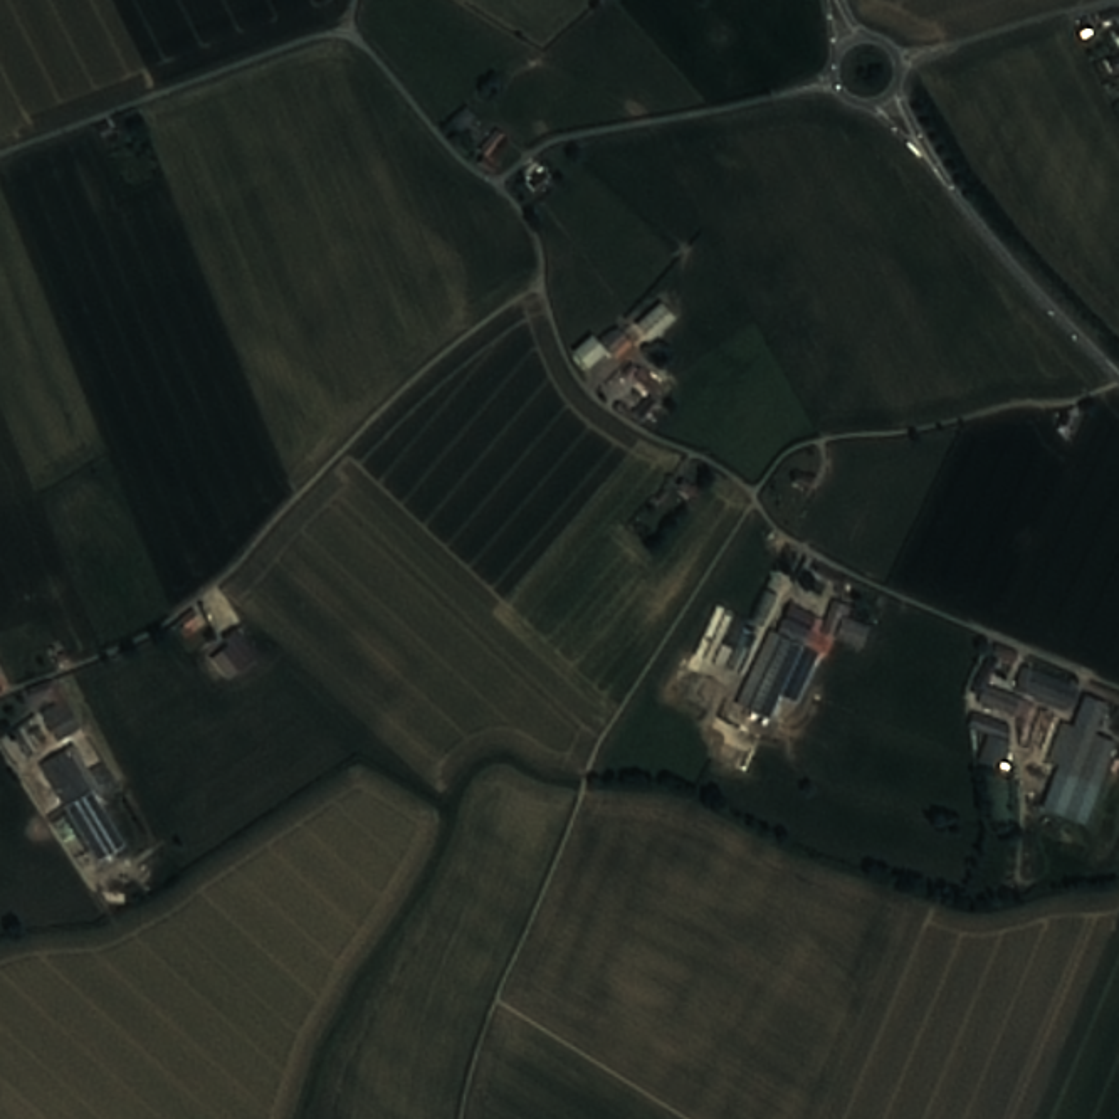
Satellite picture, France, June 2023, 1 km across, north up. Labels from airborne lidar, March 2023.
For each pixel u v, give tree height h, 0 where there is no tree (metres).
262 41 0
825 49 0
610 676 0
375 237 0
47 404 0
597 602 0
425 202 0
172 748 0
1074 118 0
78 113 0
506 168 0
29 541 0
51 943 0
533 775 0
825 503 0
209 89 0
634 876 0
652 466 0
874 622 0
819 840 0
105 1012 0
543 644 0
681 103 0
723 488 0
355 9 0
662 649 0
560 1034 0
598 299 0
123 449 0
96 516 0
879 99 0
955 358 0
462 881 0
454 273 0
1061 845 0
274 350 0
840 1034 0
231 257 0
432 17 0
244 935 0
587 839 0
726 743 0
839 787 0
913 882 16
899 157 0
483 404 0
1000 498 0
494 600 0
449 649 0
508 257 0
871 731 0
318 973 0
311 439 0
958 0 0
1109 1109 0
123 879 0
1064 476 0
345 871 0
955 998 0
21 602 0
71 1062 0
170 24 0
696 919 0
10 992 0
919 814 0
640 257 0
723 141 0
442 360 0
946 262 0
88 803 0
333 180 0
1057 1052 0
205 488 0
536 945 0
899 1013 0
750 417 0
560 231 0
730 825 0
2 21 0
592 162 0
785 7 0
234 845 0
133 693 0
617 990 0
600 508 0
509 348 0
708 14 0
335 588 0
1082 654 0
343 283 0
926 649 0
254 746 0
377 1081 0
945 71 0
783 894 0
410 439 0
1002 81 0
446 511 0
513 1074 0
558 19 0
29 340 0
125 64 0
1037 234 0
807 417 0
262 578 0
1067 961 0
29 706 0
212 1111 0
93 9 0
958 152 6
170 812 0
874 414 0
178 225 0
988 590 0
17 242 0
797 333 0
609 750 0
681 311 0
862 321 0
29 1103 0
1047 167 0
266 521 0
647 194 0
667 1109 0
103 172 0
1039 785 0
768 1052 0
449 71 0
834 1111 0
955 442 0
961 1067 0
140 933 0
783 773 0
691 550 0
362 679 0
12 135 0
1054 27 0
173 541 0
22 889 0
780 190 0
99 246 0
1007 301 0
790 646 0
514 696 0
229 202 0
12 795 0
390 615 0
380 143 0
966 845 0
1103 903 0
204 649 0
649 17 0
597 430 0
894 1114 0
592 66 0
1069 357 0
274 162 0
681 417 0
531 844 0
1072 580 0
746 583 0
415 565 0
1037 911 0
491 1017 0
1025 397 0
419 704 0
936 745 0
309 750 0
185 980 0
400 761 0
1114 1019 0
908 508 0
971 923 0
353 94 0
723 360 0
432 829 0
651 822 0
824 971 0
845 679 0
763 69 0
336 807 0
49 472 0
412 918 0
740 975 0
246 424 0
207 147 0
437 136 0
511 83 0
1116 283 0
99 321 0
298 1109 0
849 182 0
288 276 0
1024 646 0
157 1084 0
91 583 0
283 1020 0
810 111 0
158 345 0
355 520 0
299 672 0
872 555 0
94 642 0
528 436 0
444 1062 0
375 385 0
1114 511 0
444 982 0
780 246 0
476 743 0
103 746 0
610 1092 0
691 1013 0
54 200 0
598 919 0
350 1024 0
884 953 0
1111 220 0
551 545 0
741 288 0
